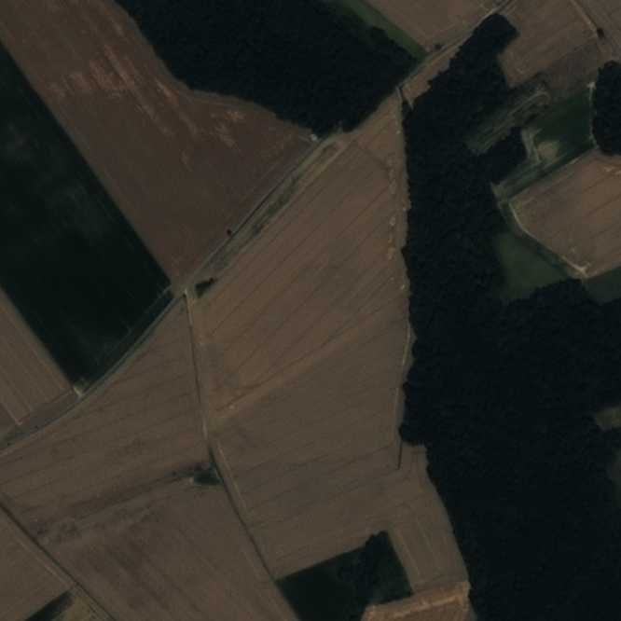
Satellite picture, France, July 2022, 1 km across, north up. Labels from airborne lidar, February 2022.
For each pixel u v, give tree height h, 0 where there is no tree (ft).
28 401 0
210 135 0
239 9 62
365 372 0
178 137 0
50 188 0
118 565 0
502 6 0
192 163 0
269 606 0
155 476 0
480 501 80
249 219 0
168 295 0
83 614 0
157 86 0
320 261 0
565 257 0
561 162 0
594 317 82
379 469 0
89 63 0
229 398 0
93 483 0
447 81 57
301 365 0
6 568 0
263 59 76
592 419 65
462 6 0
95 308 0
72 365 0
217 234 0
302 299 0
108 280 0
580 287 68
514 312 69
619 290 0
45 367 0
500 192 0
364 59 74
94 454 0
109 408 0
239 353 0
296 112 60
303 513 0
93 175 0
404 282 0
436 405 97
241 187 0
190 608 0
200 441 0
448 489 68
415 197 77
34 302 0
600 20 0
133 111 0
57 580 0
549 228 0
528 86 0
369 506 0
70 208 0
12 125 0
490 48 65
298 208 0
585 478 69
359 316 0
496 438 82
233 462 0
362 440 0
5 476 0
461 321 81
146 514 0
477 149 0
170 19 70
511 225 0
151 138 0
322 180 0
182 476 0
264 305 0
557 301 73
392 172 0
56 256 0
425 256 59
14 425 0
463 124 67
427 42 0
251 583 0
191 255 0
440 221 53
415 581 0
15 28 0
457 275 51
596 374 93
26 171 0
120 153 0
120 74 0
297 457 0
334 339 0
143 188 0
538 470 71
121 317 0
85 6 0
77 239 0
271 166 0
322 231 0
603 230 0
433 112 72
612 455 72
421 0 0
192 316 0
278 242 0
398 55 74
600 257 0
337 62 78
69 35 0
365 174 0
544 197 0
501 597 66
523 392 96
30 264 0
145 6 45
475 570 50
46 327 0
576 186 0
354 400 0
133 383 0
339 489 0
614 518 68
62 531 0
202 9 66
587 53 0
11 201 0
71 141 0
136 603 0
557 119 0
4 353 0
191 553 0
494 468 80
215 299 0
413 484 0
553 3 0
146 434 0
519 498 75
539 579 81
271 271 0
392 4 0
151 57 0
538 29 0
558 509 79
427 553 0
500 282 42
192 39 70
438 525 0
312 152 0
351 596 0
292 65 84
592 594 82
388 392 0
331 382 0
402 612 0
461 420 90
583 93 0
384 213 0
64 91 0
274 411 0
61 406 0
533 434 70
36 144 0
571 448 58
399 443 0
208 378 0
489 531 79
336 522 0
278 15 80
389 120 0
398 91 0
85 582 0
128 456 0
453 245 52
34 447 0
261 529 0
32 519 0
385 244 0
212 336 0
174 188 0
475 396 78
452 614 0
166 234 0
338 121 55
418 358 46
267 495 0
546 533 75
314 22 81
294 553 0
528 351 61
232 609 0
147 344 0
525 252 0
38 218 0
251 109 0
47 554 0
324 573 0
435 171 58
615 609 78
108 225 0
